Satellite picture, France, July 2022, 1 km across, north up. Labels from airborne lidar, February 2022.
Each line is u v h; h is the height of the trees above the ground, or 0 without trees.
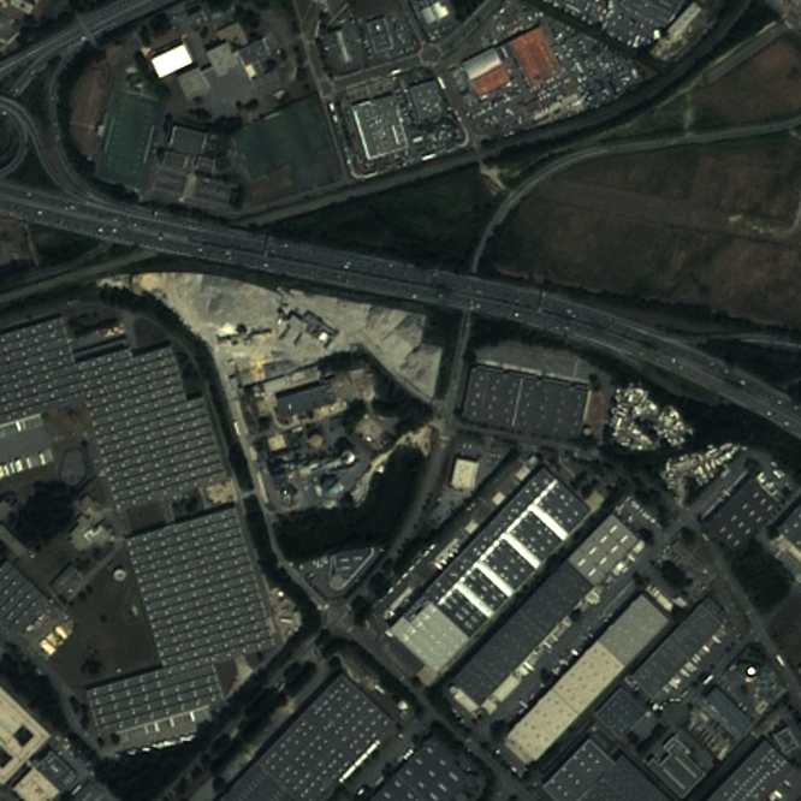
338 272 0
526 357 0
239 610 0
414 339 0
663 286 0
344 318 0
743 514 0
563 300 0
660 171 0
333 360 10
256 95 0
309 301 0
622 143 0
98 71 0
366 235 0
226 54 0
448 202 0
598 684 0
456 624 0
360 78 0
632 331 0
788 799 0
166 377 0
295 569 0
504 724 10
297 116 0
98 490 0
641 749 10
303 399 0
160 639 0
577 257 0
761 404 0
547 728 0
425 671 0
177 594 0
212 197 0
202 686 0
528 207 0
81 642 0
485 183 0
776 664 0
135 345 0
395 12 0
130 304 13
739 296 0
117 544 0
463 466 0
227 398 0
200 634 0
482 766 9
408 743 0
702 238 0
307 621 16
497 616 0
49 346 0
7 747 0
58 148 0
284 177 0
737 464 0
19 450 0
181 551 0
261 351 0
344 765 0
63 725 14
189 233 0
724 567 0
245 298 0
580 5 0
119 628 0
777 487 0
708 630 0
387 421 0
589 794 0
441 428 0
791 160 0
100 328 11
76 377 0
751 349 11
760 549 7
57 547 0
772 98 0
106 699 0
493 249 6
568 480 0
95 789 0
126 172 0
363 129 0
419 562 0
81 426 0
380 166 0
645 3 0
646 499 12
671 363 0
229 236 0
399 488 0
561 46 0
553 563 14
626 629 0
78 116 0
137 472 0
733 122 0
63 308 0
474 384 0
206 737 13
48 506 15
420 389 0
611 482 0
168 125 10
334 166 0
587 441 10
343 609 0
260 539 14
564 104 0
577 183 0
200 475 0
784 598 0
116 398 0
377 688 0
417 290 0
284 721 0
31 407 0
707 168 0
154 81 16
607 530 0
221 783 13
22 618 0
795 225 0
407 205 0
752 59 0
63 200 0
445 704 9
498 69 0
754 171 0
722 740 0
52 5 0
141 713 0
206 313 0
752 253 0
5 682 0
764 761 0
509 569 0
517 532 0
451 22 0
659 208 0
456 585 0
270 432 0
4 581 0
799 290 0
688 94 0
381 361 0
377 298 5
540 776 0
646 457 0
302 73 9
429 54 0
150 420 0
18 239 0
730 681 0
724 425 16
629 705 0
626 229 0
